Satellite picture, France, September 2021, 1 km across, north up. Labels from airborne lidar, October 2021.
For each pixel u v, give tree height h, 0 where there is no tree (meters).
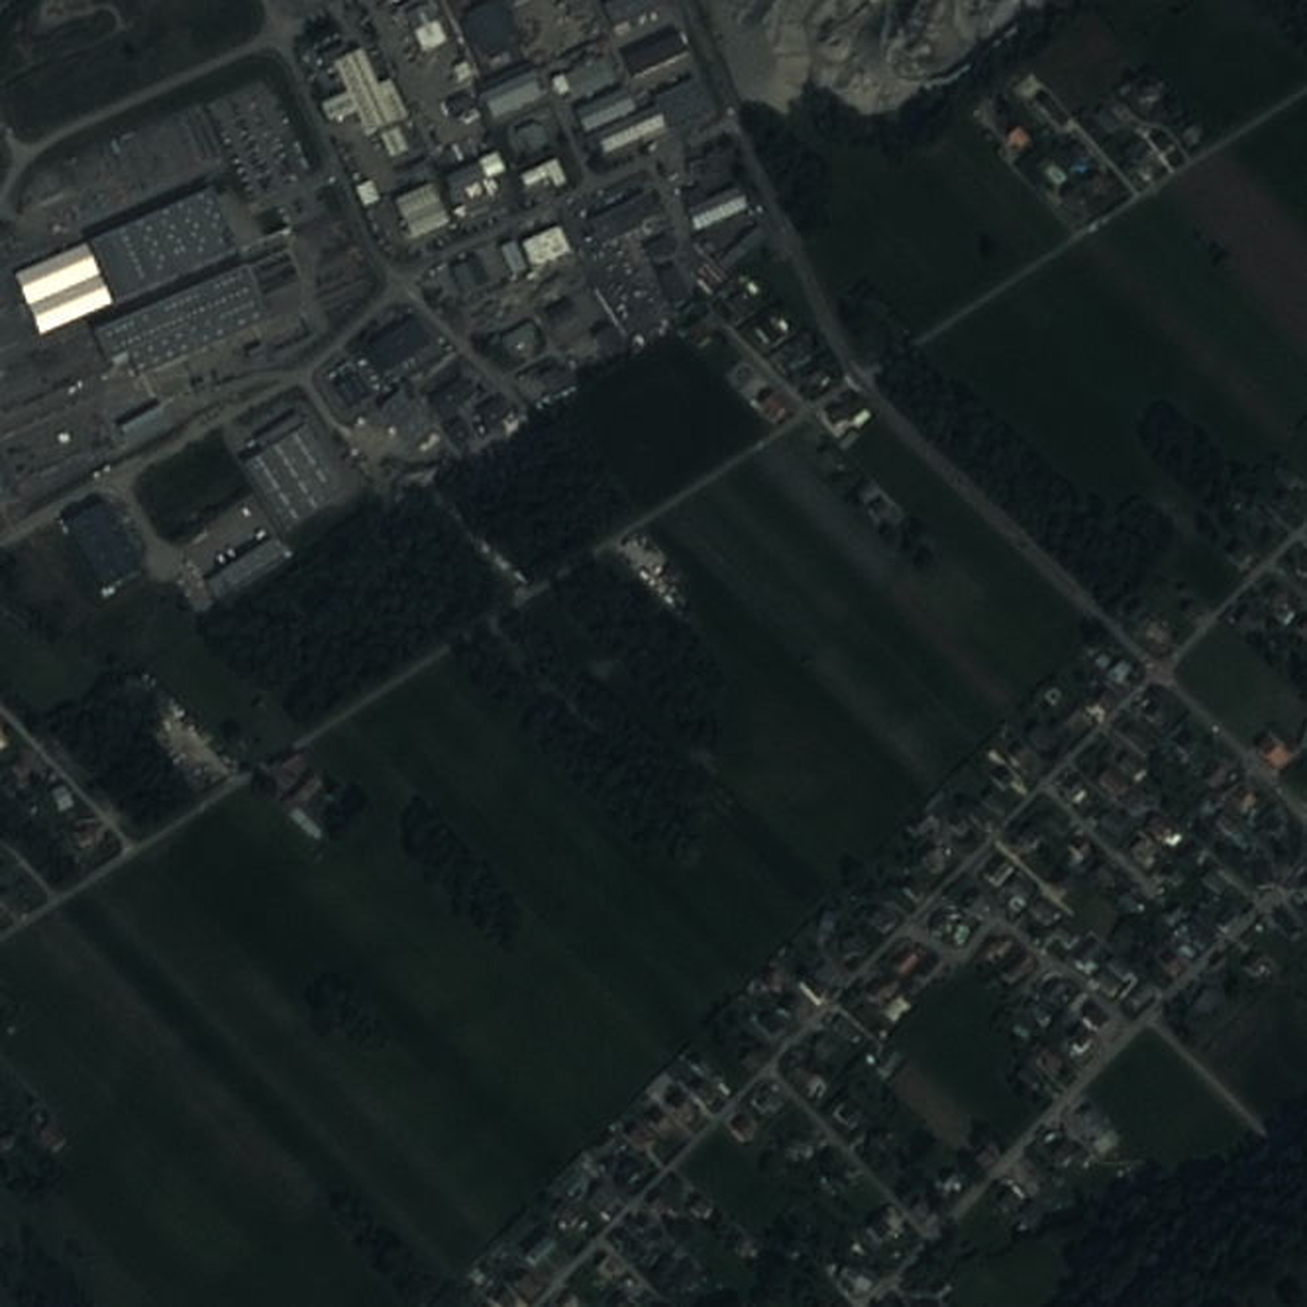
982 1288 0
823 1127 0
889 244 0
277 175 0
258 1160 0
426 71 0
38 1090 0
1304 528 0
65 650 0
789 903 0
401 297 0
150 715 12
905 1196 12
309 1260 0
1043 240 0
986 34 0
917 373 15
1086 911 0
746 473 0
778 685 0
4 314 0
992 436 23
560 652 17
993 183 0
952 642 0
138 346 0
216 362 0
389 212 0
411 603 22
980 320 0
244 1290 0
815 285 0
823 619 0
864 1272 0
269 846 0
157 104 0
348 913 0
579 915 0
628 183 0
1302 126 0
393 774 0
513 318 0
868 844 0
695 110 0
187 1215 0
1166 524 6
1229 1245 26
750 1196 0
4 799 9
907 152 21
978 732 0
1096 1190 0
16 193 0
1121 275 0
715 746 13
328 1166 0
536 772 0
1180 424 21
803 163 15
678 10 0
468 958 0
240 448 0
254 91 0
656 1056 0
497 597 22
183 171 0
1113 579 21
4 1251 0
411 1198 0
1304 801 0
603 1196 0
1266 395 0
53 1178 7
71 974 0
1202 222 0
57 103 0
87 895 0
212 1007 0
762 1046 10
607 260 0
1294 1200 26
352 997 21
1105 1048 0
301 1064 0
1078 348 0
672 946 0
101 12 0
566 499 19
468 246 0
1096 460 0
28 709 8
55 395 0
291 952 0
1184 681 0
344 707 18
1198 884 0
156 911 0
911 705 0
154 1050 0
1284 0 14
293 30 0
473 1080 0
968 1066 0
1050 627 0
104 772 14
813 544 0
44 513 0
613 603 19
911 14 0
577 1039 0
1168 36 0
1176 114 12
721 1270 0
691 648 25
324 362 0
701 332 0
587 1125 0
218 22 0
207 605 0
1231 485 6
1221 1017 10
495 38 0
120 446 0
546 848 0
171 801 17
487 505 20
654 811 23
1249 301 0
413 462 0
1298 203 0
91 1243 0
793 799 0
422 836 20
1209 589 0
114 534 0
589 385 12
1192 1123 0
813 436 0
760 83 0
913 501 0
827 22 0
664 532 0
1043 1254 0
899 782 0
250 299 0
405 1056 0
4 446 0
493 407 0
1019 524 16
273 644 17
